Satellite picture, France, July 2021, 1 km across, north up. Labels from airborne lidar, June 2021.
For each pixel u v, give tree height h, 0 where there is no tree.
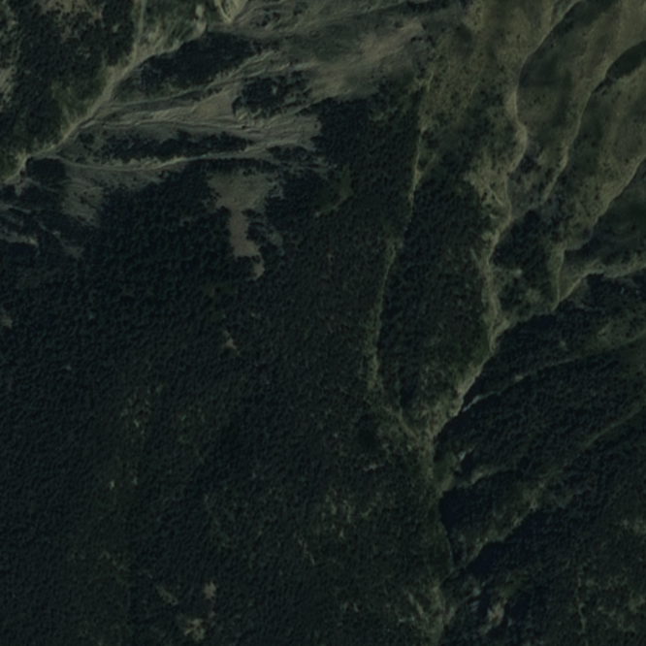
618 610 8
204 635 6
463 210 14
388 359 9
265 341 7
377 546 15
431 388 16
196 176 6
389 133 16
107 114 0
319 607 12
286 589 11
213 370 9
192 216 20
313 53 0
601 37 0
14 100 7
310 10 0
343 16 0
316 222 14
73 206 0
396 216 7
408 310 7
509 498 10
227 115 0
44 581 13
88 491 11
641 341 0
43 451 19
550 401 14
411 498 10
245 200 0
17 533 15
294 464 19
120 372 9
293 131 0
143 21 0
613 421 11
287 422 10
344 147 9
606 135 0
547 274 7
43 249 8
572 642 10
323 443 7
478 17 0
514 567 9
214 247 12
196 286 21
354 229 15
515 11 0
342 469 11
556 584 10
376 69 0
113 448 13
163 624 10
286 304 16
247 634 14
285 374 13
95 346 13
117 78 0
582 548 11
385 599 7
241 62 6
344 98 0
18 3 10
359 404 9
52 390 15
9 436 10
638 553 15
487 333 0
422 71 6
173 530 7
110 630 11
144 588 13
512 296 13
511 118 0
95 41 7
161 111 0
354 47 0
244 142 7
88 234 9
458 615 8
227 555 11
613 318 6
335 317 19
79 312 20
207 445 12
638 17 0
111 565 10
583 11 0
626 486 13
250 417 8
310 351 18
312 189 11
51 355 11
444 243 13
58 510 14
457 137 0
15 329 11
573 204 7
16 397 17
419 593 12
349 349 9
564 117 0
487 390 9
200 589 13
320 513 12
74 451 13
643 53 0
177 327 15
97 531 10
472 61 0
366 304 14
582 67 0
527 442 9
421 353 12
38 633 13
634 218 0
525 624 12
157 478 13
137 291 14
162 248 27
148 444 9
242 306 11
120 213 7
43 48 7
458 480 10
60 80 7
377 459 9
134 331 18
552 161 0
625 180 0
